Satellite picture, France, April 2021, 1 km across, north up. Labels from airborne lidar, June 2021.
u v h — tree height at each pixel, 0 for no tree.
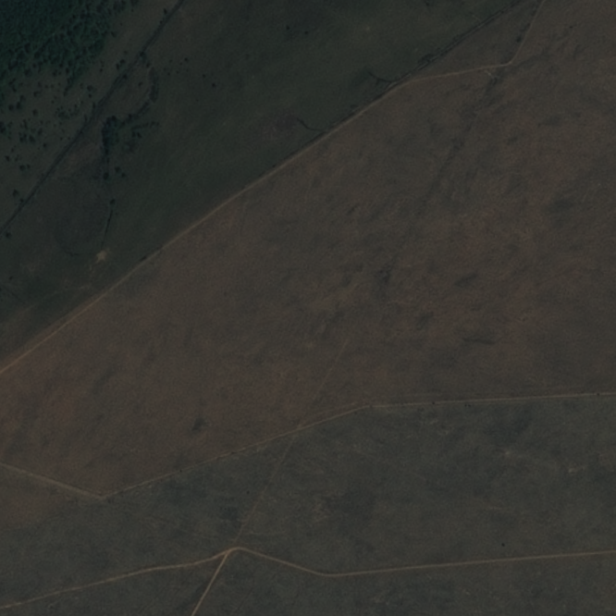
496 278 0
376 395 0
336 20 0
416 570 0
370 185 0
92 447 0
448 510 0
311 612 0
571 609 0
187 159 0
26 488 0
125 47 0
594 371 0
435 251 0
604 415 0
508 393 0
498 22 0
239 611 0
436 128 0
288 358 0
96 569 0
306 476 0
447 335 0
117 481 0
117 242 0
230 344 0
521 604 0
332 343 0
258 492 0
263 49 0
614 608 0
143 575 0
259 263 0
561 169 0
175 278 0
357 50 0
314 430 0
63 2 15
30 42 8
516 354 0
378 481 0
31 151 0
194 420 0
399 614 0
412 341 0
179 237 0
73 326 0
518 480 0
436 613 0
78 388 0
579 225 0
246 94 0
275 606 0
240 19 0
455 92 0
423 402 0
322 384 0
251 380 0
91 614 0
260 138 0
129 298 0
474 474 0
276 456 0
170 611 0
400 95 0
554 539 0
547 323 0
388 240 0
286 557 0
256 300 0
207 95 0
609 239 0
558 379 0
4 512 0
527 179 0
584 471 0
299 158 0
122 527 0
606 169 0
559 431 0
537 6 0
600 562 0
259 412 0
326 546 0
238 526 0
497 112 0
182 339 0
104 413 0
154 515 0
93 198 0
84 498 0
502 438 0
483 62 0
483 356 0
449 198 0
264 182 0
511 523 0
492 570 0
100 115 0
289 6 0
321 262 0
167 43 0
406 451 0
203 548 0
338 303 0
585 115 0
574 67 0
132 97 0
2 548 0
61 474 0
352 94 0
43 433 0
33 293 0
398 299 0
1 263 0
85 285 0
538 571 0
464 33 0
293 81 0
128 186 0
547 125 0
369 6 0
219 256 0
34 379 0
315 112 0
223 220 0
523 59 0
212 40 0
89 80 0
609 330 0
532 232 0
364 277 0
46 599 0
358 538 0
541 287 0
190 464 0
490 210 0
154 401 0
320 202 0
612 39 0
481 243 0
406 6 0
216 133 0
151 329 0
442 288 0
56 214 0
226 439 0
